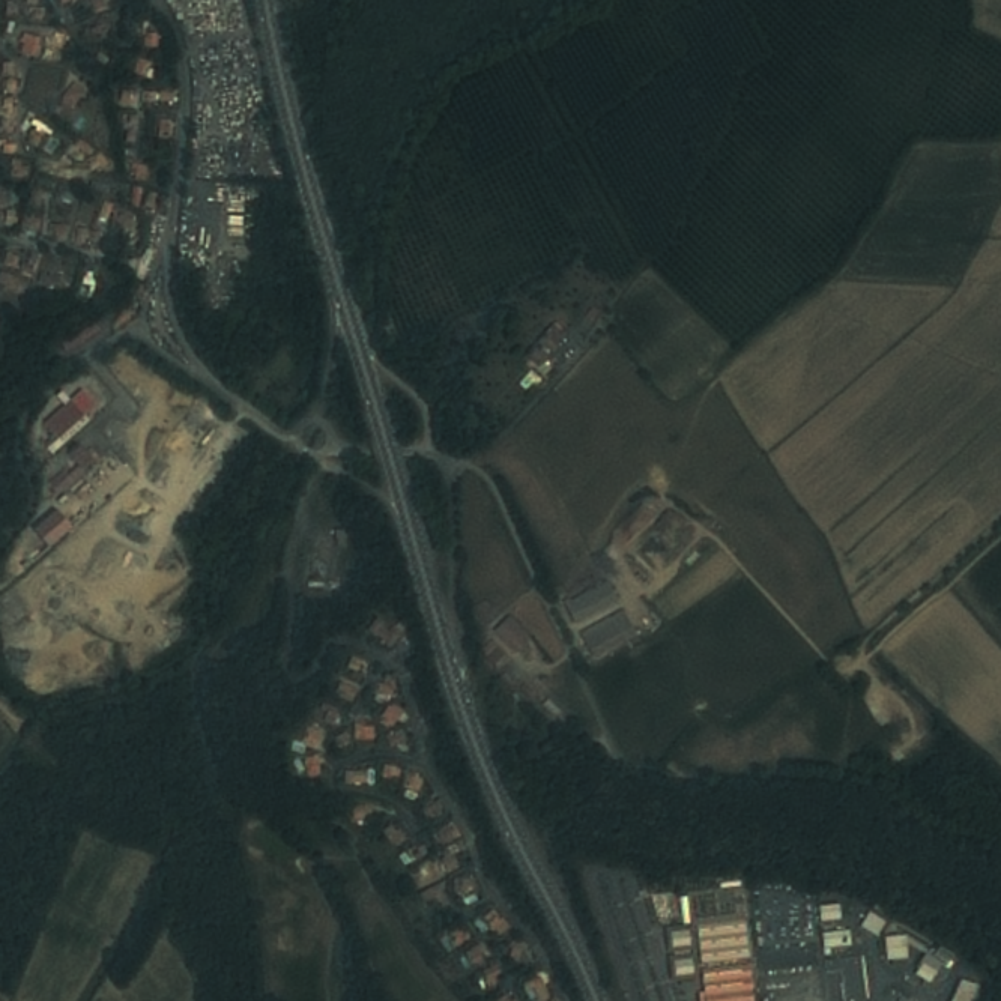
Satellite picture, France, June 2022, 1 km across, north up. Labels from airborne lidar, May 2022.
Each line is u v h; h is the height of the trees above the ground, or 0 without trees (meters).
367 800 7
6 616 0
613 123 17
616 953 0
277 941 0
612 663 0
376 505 19
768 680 0
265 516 12
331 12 13
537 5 9
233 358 10
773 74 16
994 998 21
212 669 21
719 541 0
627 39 13
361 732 0
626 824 24
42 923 16
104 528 0
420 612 18
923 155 0
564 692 0
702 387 0
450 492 12
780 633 0
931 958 0
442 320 9
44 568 0
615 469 0
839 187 15
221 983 23
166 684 9
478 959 0
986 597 0
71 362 7
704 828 24
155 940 27
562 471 0
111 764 6
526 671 0
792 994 0
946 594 0
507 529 0
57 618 0
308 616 10
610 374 0
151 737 13
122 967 27
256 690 18
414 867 6
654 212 17
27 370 10
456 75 18
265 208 11
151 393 0
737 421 0
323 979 0
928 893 24
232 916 10
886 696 0
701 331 0
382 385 0
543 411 0
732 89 18
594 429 0
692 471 0
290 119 0
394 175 18
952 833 18
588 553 0
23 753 11
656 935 0
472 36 9
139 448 0
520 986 10
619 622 0
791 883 21
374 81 7
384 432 0
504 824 0
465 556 14
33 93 0
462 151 16
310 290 16
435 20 8
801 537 0
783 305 7
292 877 0
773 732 0
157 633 0
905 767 7
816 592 0
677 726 0
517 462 0
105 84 14
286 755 7
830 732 0
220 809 12
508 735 13
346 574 0
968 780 22
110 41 6
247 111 0
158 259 0
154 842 16
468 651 11
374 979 21
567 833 17
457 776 16
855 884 18
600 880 6
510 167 11
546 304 14
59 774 7
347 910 12
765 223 12
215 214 0
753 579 0
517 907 7
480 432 21
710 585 0
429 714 6
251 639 21
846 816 24
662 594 0
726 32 19
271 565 0
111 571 0
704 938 0
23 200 10
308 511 0
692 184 16
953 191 0
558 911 0
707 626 0
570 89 16
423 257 7
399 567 19
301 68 11
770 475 0
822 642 0
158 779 17
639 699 0
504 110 20
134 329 0
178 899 9
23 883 24
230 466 12
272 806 20
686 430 0
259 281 10
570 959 0
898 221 0
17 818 22
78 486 0
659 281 0
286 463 8
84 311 22
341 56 12
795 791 22
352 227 11
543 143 14
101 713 8
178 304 9
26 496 24
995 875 26
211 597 19
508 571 0
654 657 0
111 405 0
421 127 15
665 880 6
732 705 0
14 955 17
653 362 0
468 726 0
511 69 17
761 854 19
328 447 0
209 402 0
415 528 0
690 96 19
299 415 13
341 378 17
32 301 19
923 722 0
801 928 0
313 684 14
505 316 24
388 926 0
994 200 0
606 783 22
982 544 9
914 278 0
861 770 13
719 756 0
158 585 0
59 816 15
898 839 25
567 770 15
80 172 0
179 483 0
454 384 22
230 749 22
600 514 0
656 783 23
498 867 7
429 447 0
